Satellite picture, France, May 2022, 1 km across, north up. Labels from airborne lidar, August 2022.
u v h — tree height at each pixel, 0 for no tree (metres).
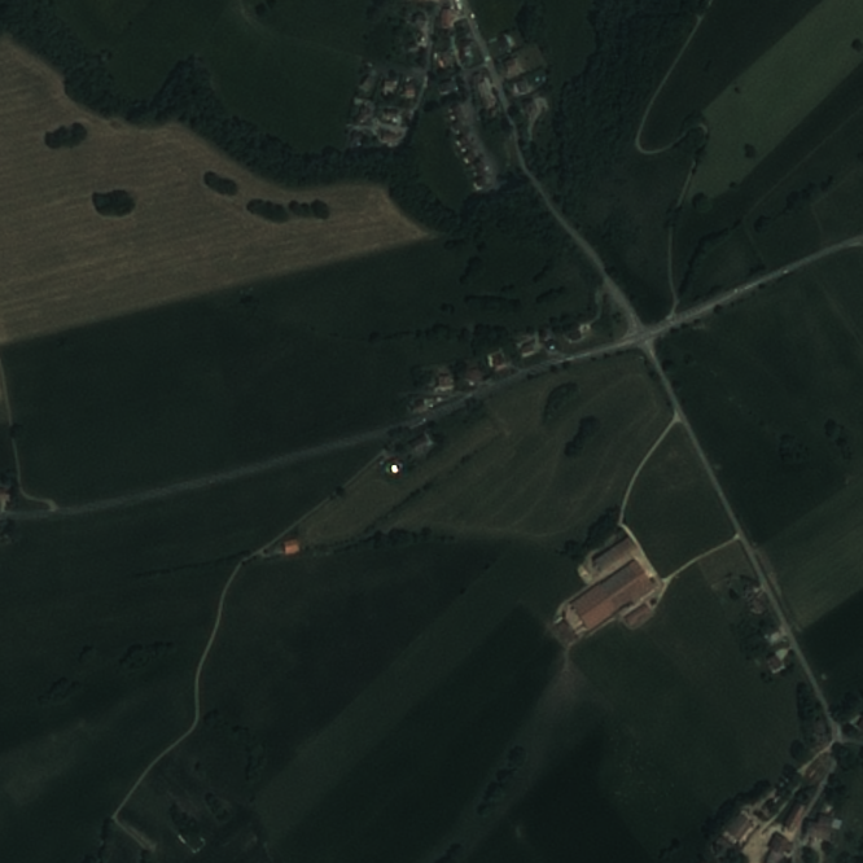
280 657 0
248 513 0
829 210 0
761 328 0
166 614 0
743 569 0
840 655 0
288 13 0
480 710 0
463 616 0
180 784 0
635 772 0
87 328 0
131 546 0
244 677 0
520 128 7
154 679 0
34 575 0
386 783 0
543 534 0
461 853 9
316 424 0
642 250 0
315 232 0
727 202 0
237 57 0
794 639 0
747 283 0
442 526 0
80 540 0
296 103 0
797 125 0
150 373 0
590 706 0
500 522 0
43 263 0
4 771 0
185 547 0
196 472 0
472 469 0
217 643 0
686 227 0
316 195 0
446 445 11
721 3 0
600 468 0
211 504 0
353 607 0
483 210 23
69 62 19
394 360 0
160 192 0
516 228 13
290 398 0
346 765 0
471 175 0
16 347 0
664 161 0
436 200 7
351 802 0
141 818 0
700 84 0
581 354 0
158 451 0
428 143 0
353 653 0
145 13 0
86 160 0
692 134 10
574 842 0
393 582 0
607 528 13
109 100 18
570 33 0
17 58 0
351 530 0
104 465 0
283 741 0
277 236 0
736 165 0
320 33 0
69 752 0
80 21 0
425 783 0
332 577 0
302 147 0
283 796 0
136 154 0
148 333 0
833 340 0
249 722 0
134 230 0
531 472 0
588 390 0
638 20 20
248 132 18
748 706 0
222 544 0
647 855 0
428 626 0
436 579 0
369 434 0
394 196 13
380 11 13
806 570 0
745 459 0
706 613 0
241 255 0
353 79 0
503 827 0
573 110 6
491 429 0
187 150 0
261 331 0
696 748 0
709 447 0
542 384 0
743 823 0
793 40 0
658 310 0
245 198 0
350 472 0
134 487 0
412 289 0
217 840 0
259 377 0
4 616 0
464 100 8
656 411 0
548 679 0
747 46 0
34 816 0
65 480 0
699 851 0
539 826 0
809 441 0
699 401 0
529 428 0
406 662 0
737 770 0
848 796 13
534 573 0
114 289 0
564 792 0
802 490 0
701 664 0
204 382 0
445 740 0
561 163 15
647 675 0
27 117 0
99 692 0
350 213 0
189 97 13
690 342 0
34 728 0
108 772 0
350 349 0
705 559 0
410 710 0
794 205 20
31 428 0
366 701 0
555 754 0
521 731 0
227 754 0
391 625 0
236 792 0
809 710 21
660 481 0
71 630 0
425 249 0
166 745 0
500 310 14
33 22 22
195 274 0
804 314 0
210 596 0
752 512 0
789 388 0
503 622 0
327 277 0
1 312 0
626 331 0
